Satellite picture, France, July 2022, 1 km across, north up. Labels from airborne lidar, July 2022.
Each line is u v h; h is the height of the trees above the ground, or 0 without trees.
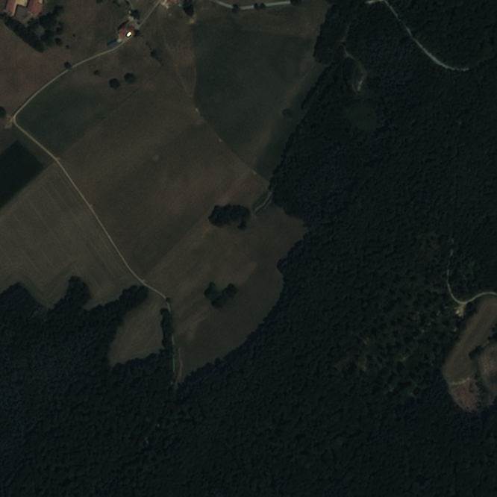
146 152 0
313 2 0
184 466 16
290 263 19
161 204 0
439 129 24
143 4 0
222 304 23
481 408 8
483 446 31
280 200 23
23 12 0
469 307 7
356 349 33
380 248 25
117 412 24
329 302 24
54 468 26
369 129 0
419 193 22
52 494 9
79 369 19
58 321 22
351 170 16
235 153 0
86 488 28
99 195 0
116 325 20
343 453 24
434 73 21
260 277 0
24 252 0
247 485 29
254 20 0
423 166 26
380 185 21
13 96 0
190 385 22
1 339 15
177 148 0
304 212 24
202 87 0
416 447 24
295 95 0
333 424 27
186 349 0
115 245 0
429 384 27
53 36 20
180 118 0
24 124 0
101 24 0
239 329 0
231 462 26
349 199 22
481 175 18
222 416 14
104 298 0
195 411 34
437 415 22
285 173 8
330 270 13
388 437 26
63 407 24
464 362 0
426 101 17
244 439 26
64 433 28
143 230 0
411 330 27
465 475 30
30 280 0
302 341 24
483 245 26
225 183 0
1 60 0
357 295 28
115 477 8
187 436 25
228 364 8
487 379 0
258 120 0
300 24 0
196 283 0
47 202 0
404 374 30
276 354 15
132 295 21
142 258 0
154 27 0
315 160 22
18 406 17
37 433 24
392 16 8
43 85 0
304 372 29
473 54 26
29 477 27
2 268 0
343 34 23
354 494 27
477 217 22
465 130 24
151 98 0
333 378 30
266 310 0
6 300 27
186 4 8
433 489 31
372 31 7
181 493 20
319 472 28
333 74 9
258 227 0
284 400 26
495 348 0
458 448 27
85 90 0
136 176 0
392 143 26
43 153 0
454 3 27
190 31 0
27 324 24
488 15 31
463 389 0
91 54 0
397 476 21
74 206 0
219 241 0
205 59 0
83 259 0
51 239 0
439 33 27
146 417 29
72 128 0
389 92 9
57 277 0
